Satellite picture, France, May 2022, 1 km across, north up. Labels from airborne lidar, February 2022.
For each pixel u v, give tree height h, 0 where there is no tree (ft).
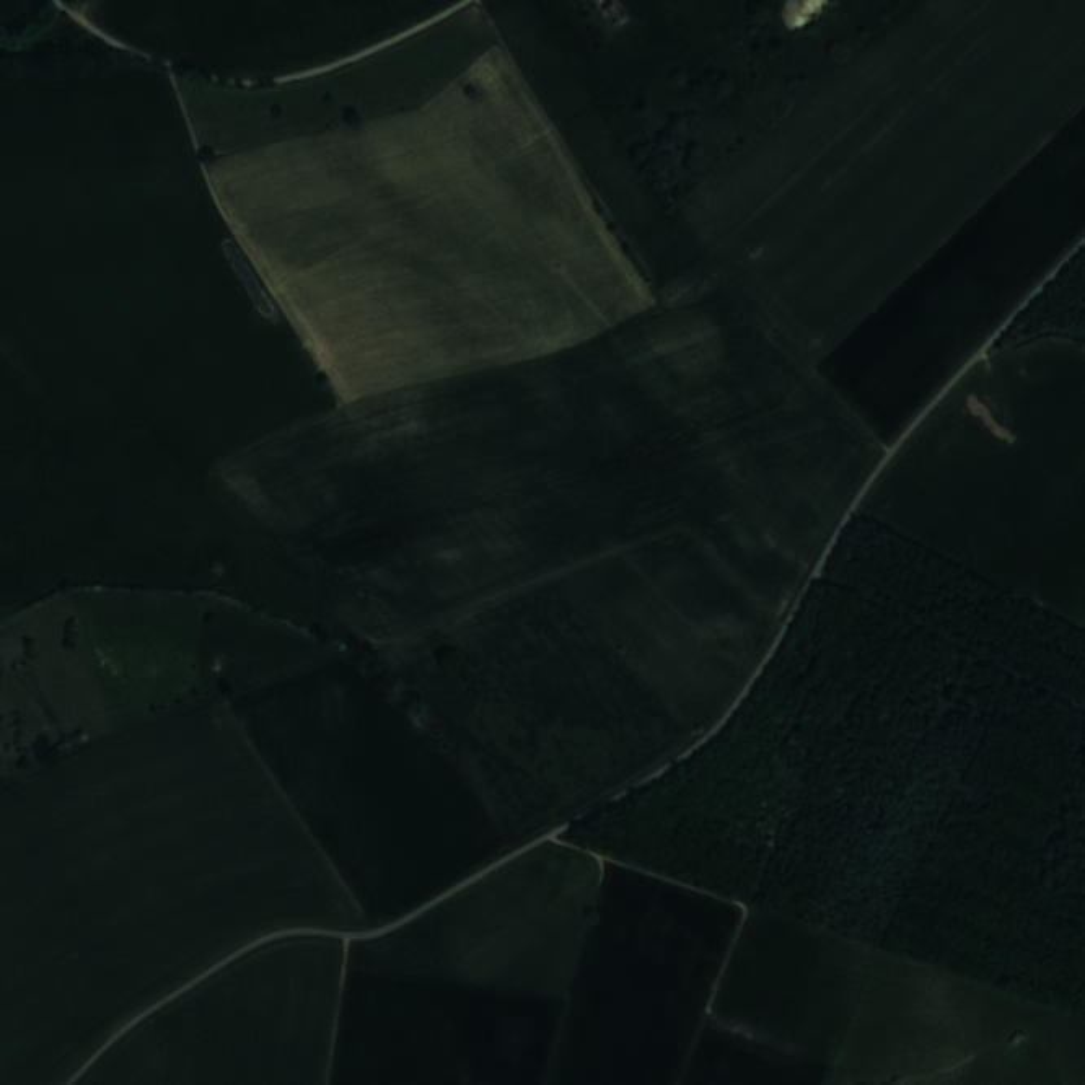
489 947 0
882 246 0
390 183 0
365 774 0
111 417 0
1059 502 0
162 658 0
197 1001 0
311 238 0
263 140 0
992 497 0
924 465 0
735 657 0
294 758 0
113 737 0
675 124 47
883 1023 0
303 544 0
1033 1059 0
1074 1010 54
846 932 42
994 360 0
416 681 0
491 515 0
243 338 0
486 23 0
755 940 0
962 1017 0
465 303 0
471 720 0
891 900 56
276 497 0
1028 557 0
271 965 0
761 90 0
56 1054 0
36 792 0
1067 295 44
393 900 0
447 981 0
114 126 0
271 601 0
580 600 0
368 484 0
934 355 0
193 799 0
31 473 0
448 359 0
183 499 0
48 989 0
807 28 24
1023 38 0
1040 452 0
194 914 0
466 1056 0
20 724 23
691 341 0
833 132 0
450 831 0
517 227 0
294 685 0
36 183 0
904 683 40
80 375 0
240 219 0
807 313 0
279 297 0
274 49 0
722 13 0
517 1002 0
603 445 0
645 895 0
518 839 0
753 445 0
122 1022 0
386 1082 0
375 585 0
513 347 0
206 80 50
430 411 0
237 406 0
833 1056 0
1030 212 0
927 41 0
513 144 0
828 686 34
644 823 35
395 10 0
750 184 0
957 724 52
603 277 0
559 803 0
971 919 63
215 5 0
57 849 0
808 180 0
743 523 0
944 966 26
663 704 0
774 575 0
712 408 0
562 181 0
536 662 0
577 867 0
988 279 0
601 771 0
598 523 0
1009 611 57
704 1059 0
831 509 0
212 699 0
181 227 0
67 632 26
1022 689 48
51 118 0
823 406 0
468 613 0
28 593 0
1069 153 0
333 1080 0
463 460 0
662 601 0
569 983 0
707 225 0
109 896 0
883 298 0
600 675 0
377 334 0
